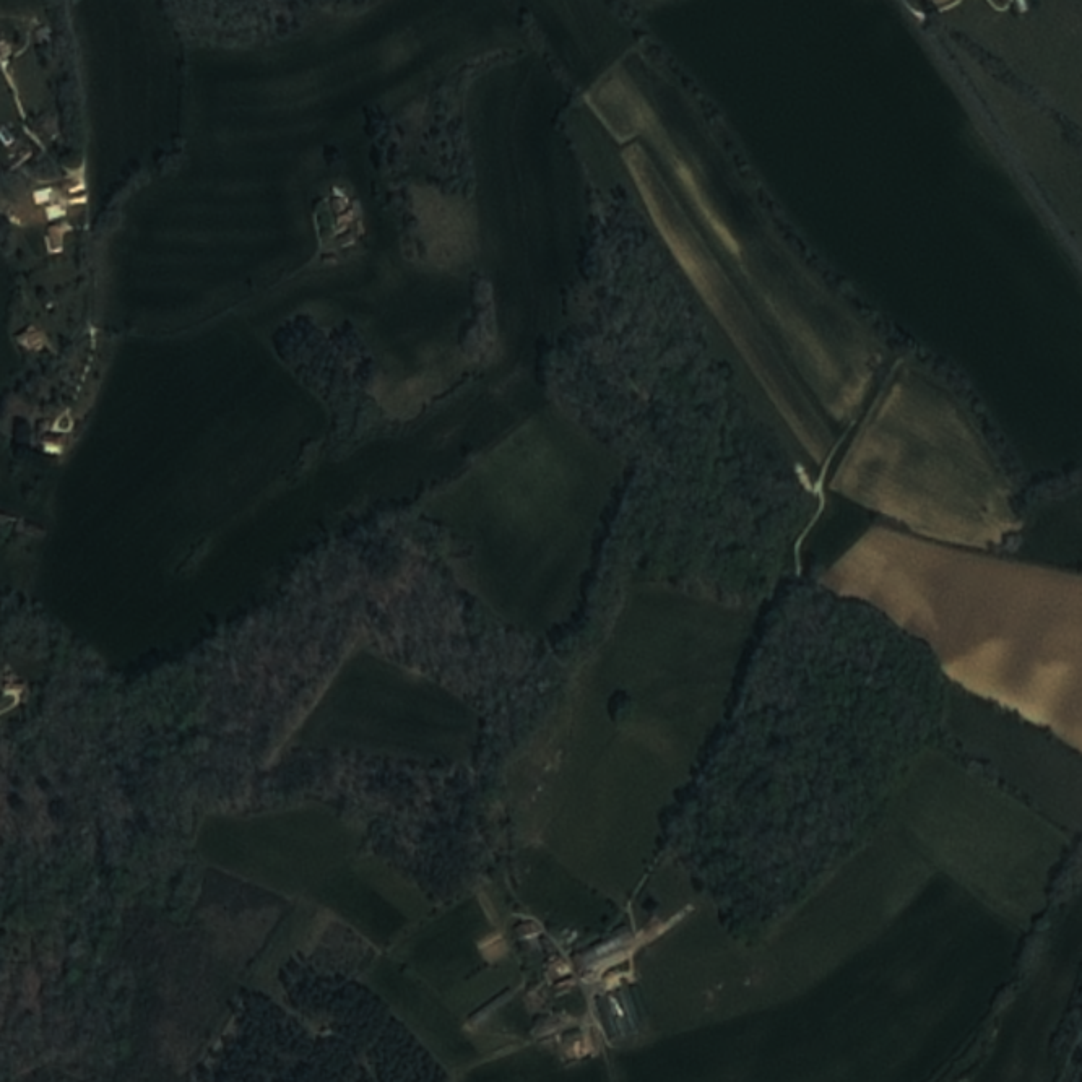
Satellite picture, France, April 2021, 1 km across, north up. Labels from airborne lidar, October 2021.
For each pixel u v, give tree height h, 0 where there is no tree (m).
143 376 0
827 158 0
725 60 0
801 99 0
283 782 10
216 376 0
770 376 0
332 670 7
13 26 0
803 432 0
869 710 26
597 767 0
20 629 20
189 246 0
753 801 28
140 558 0
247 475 0
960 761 11
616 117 0
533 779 0
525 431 0
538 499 0
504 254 0
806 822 25
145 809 27
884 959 0
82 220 7
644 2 0
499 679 22
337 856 0
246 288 0
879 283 0
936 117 0
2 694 8
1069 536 0
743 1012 0
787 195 0
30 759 19
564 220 0
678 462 26
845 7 0
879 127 0
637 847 0
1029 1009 0
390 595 25
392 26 0
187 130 0
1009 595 0
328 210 8
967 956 0
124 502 0
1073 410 0
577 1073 0
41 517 0
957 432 0
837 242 0
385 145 15
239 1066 18
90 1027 18
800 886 16
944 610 0
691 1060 0
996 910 0
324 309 0
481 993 0
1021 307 0
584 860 0
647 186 0
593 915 0
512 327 0
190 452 0
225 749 20
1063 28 0
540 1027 11
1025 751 0
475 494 0
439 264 0
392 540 23
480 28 0
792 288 0
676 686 0
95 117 0
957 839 0
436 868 22
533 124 0
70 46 19
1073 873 16
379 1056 16
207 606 0
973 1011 0
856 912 0
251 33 13
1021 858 0
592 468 0
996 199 0
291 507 0
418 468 0
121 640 0
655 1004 0
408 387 0
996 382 0
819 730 25
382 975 0
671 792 0
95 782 22
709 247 0
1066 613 0
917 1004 0
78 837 14
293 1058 19
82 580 0
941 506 0
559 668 20
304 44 0
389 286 0
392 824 15
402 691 0
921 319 0
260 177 0
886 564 0
